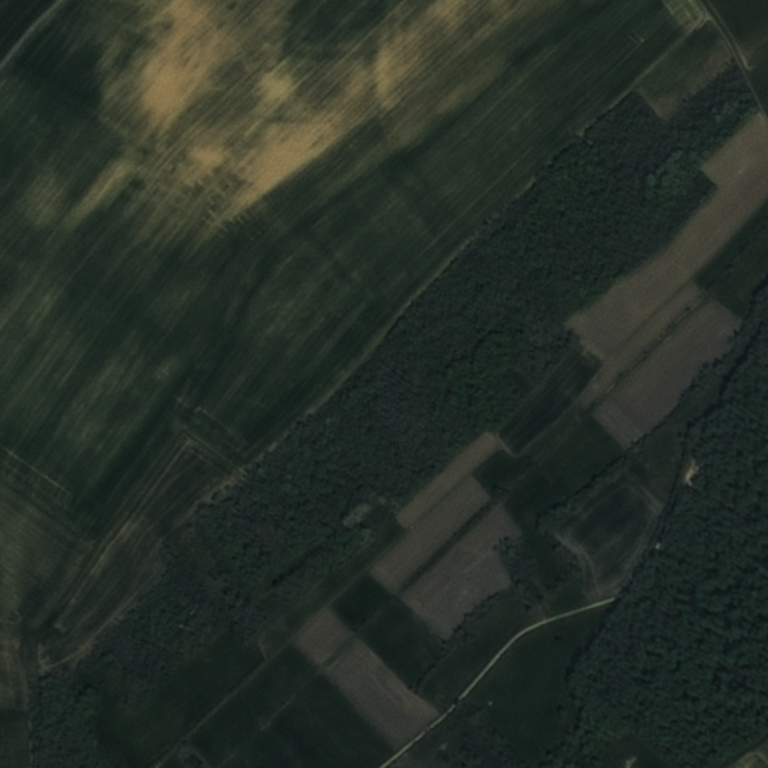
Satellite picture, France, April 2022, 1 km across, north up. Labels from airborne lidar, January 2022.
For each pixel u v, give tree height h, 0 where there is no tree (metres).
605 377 0
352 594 0
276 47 0
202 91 0
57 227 0
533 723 0
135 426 0
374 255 0
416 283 0
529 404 0
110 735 0
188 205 0
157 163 0
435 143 0
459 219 0
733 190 0
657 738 18
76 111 0
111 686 0
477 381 18
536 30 0
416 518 0
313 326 0
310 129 0
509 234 20
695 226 0
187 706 0
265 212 0
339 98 0
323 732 0
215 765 0
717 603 26
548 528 12
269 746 0
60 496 0
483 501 0
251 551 23
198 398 0
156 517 0
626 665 24
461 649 0
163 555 0
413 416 24
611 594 0
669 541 16
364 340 0
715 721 21
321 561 24
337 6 0
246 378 0
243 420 0
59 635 0
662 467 0
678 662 28
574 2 0
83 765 13
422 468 20
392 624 0
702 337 0
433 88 0
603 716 21
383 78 0
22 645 0
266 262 0
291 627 0
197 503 0
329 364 0
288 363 0
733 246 0
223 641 0
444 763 0
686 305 0
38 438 0
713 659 23
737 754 18
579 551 0
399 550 0
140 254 0
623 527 0
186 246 0
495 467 0
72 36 0
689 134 18
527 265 19
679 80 0
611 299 0
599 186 23
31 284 0
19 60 0
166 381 0
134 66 0
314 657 0
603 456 0
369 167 0
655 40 0
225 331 0
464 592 0
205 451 0
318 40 0
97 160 0
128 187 0
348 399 16
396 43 0
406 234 0
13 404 0
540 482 0
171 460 0
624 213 21
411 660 0
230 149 0
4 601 0
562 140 0
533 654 0
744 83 16
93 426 0
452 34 0
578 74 0
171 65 0
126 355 0
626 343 0
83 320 0
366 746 0
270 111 0
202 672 0
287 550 25
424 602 0
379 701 0
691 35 0
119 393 0
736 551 18
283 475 20
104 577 0
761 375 22
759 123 0
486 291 16
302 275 0
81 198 0
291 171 0
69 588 0
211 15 0
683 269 0
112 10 0
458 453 19
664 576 17
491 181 0
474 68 0
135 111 0
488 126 0
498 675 0
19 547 0
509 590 0
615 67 0
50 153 0
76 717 22
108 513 0
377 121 0
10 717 0
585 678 20
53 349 0
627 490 0
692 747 19
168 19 0
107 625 0
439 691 0
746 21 0
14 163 0
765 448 21
